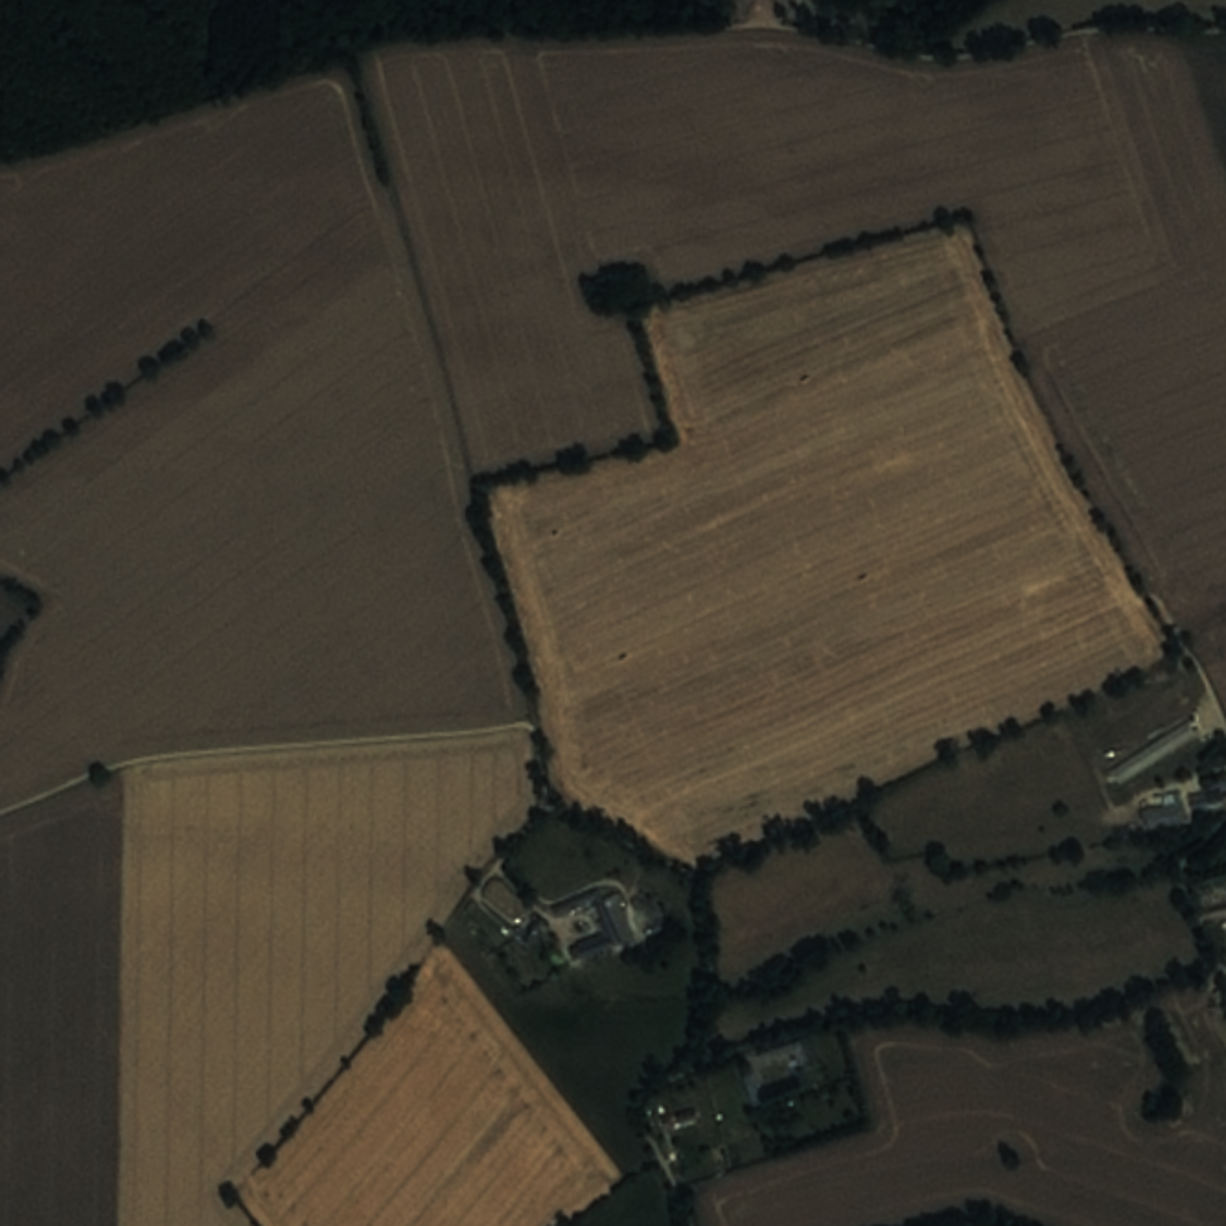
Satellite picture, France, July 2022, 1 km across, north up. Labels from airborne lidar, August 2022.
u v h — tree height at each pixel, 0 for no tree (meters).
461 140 0
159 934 0
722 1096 0
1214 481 0
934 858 16
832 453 0
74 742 0
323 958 0
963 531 0
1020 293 0
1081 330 0
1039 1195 0
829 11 20
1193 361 0
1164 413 0
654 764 0
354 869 0
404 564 0
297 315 0
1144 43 0
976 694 0
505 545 0
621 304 15
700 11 13
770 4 0
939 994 0
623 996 0
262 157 0
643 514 0
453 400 0
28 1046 0
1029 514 0
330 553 0
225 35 23
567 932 0
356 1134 0
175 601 0
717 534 0
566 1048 0
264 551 0
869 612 0
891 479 0
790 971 21
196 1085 0
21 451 0
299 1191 0
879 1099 0
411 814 0
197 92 20
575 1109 0
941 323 0
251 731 0
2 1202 0
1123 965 0
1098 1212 0
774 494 0
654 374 8
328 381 0
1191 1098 0
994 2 8
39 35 23
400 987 17
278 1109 0
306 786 0
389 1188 0
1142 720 0
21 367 0
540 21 21
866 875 0
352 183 0
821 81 0
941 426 0
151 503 0
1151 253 0
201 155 0
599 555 0
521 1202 0
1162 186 0
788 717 0
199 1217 0
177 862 0
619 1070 0
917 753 0
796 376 0
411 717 0
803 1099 8
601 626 0
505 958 8
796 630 0
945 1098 0
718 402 0
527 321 0
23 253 0
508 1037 0
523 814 0
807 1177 0
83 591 0
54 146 17
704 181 0
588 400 0
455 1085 0
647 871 14
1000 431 0
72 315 0
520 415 0
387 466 0
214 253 0
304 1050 0
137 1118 0
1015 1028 7
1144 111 0
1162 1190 0
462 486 0
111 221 0
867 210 0
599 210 0
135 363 0
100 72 23
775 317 0
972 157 0
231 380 0
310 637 0
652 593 0
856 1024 19
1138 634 0
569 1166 0
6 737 0
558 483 0
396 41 8
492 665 0
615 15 24
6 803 0
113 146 0
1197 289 0
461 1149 0
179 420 0
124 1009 0
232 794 0
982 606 0
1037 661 0
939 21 23
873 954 0
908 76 0
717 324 0
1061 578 0
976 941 0
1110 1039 0
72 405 0
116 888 0
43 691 0
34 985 0
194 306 0
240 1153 0
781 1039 14
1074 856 18
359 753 0
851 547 0
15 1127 0
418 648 0
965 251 0
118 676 0
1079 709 18
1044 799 0
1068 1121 0
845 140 0
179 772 0
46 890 0
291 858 0
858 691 0
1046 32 20
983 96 0
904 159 0
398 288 0
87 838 0
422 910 0
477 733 0
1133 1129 0
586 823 19
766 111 0
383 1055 0
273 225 0
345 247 0
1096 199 0
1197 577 0
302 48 22
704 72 0
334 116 0
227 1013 0
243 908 0
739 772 0
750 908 0
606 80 0
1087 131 0
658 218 0
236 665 0
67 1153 0
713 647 0
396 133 0
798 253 0
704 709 0
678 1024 0
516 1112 0
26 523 0
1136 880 13
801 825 10
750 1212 0
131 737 0
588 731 0
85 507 0
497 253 0
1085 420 0
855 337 0
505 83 0
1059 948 0
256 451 0
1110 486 0
